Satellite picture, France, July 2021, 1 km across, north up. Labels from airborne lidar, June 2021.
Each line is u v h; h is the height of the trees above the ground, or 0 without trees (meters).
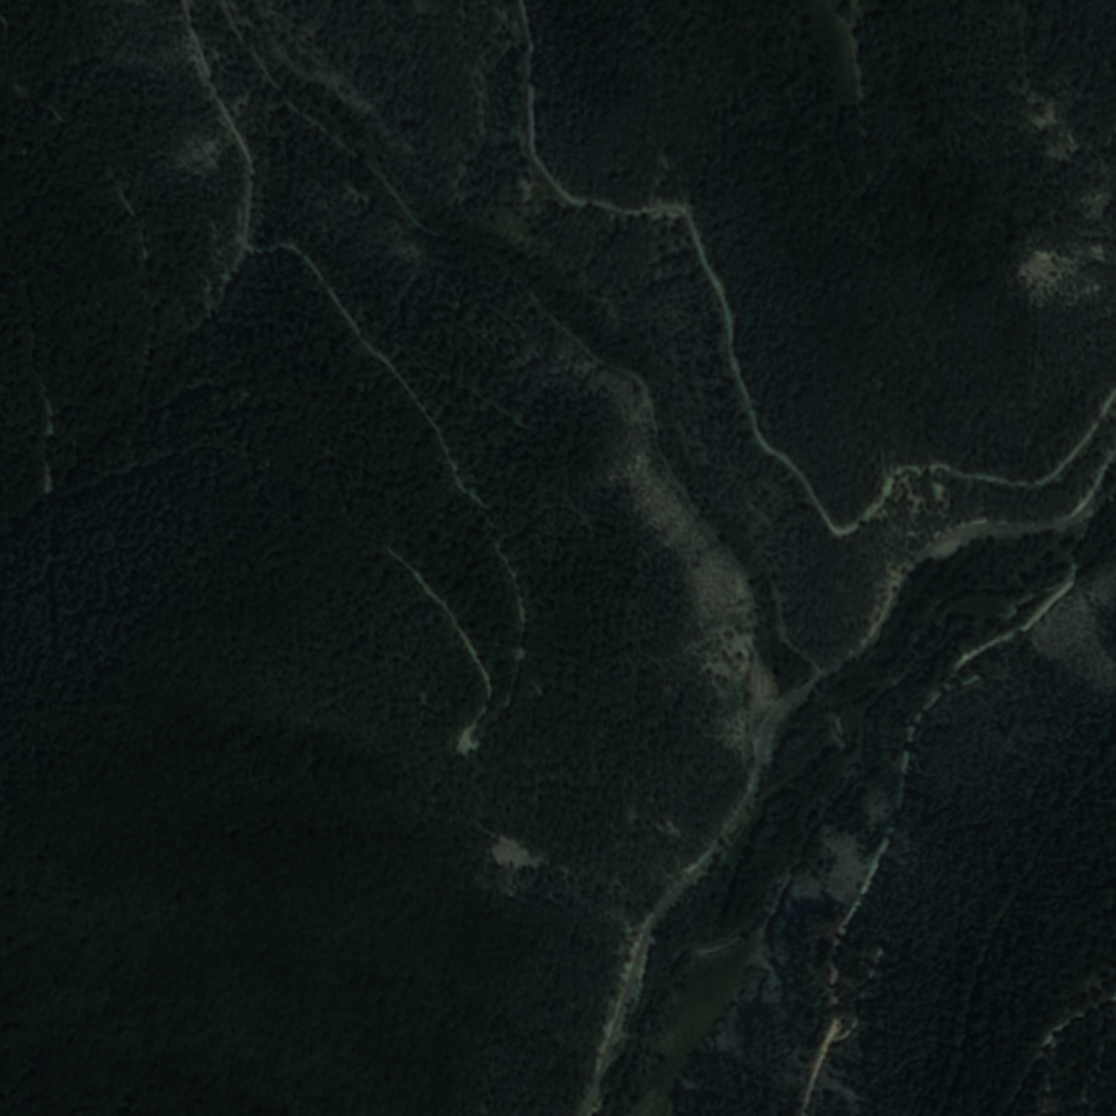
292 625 21
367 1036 22
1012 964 16
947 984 8
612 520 12
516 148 10
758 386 11
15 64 20
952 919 16
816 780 13
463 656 13
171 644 22
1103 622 11
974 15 8
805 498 8
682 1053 0
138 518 23
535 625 16
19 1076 21
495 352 21
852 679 12
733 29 14
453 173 11
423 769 11
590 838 15
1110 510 11
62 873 18
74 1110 28
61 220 18
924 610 16
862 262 17
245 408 18
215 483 19
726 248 9
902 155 11
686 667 8
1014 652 7
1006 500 14
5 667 21
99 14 14
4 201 21
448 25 13
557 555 14
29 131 18
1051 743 9
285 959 25
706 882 14
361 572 19
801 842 14
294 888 21
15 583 22
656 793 9
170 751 22
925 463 14
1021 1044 12
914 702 10
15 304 20
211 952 23
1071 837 15
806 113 19
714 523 10
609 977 18
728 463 12
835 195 16
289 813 26
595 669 14
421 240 12
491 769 14
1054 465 13
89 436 30
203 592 22
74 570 29
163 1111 31
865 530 7
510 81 7
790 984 7
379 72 15
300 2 12
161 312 17
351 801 22
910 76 15
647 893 9
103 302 18
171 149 7
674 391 9
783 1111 12
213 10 15
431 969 16
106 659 13
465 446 12
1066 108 15
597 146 13
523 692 12
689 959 11
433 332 9
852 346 15
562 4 15
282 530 23
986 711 11
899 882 13
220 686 13
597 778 10
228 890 23
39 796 22
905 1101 19
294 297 18
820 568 11
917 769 9
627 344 20
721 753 13
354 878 24
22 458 19
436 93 9
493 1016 11
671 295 8
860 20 8
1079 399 18
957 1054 21
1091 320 8
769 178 21
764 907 15
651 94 14
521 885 6
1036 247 10
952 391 12
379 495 20
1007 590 6
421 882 18
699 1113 16
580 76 14
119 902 15
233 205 10
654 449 10
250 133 9
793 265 12
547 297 9
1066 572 10
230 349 14
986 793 16
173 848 24
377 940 15
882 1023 15
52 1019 11
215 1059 21
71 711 20
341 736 14
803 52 7
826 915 20
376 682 12
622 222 15
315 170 16
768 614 9
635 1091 12
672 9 10
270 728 21
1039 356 8
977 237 10
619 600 12
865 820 7
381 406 17
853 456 13
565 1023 16
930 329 12
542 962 16
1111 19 15
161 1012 20
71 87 15
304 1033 20
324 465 21
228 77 14
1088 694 13
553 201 6
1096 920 14
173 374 17
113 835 22
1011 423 14
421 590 21
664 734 15
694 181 14
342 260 12
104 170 13
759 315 13
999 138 19
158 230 16
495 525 7
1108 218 11
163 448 19
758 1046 11
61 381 16
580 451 16
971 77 17
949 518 9
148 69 13
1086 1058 11
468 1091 16
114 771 24
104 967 17
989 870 18
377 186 8
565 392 13
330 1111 15
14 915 22
